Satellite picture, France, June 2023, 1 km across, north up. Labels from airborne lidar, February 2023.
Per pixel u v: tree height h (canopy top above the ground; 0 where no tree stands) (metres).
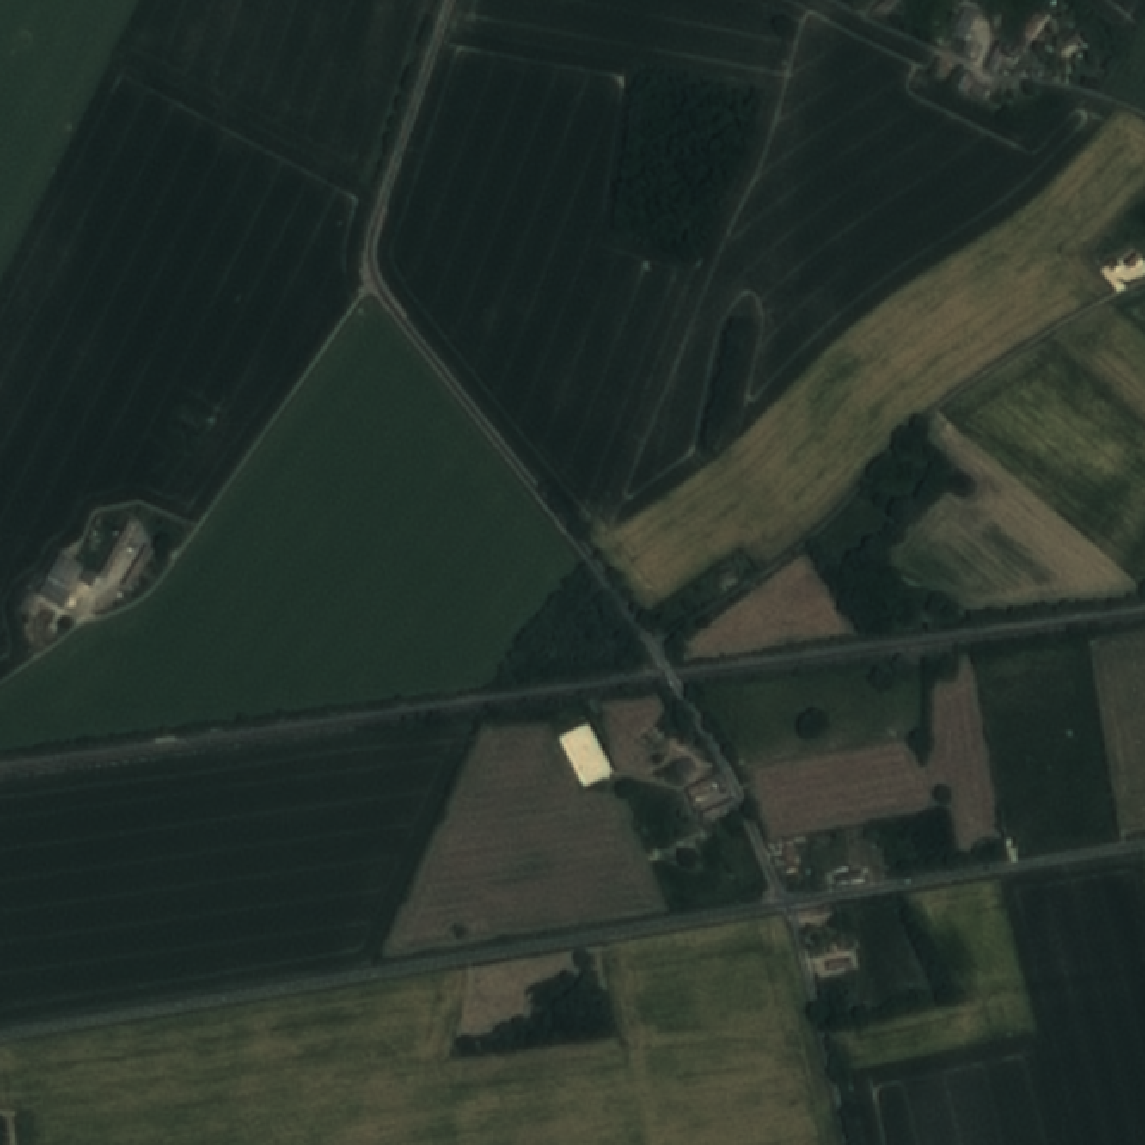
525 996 0
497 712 10
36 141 0
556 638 8
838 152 0
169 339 0
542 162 0
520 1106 0
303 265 0
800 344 0
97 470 0
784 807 0
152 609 0
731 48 0
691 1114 0
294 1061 0
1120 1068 0
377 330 0
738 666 0
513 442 0
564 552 0
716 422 15
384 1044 0
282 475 0
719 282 0
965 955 0
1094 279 0
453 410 0
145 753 0
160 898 0
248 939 0
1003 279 0
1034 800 0
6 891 0
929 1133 0
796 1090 0
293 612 0
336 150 0
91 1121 0
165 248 0
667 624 14
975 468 0
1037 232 0
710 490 0
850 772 0
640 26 0
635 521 0
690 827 0
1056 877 0
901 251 0
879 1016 8
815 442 0
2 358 0
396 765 0
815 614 0
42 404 0
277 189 0
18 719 0
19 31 0
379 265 0
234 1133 0
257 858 0
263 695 0
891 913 0
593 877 0
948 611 19
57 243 0
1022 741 0
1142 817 0
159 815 0
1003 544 0
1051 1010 0
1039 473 0
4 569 0
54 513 0
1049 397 0
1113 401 0
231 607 0
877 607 19
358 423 0
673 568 0
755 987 0
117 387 0
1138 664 0
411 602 0
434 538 0
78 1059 0
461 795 0
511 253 0
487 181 0
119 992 0
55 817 0
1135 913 0
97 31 0
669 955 0
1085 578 0
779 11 0
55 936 0
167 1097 0
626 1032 0
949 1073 0
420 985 0
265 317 0
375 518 0
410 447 0
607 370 0
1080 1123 0
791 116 0
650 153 14
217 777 0
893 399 0
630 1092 0
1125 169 0
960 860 12
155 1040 0
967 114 0
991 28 0
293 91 0
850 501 0
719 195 18
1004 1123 0
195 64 0
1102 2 0
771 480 0
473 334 0
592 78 0
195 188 0
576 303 0
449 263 0
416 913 0
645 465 0
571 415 0
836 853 0
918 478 13
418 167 0
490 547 0
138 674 0
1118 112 0
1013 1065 0
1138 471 0
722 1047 0
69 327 0
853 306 0
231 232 0
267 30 0
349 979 0
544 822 0
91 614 0
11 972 0
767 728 0
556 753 0
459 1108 0
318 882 0
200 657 0
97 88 0
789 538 0
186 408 0
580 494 0
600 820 0
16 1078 0
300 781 0
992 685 0
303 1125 0
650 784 0
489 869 0
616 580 13
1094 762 0
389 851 0
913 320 0
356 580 0
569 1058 0
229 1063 0
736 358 16
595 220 0
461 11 0
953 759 0
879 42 0
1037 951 0
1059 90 0
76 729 0
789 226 0
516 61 0
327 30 0
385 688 0
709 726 12
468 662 0
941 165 0
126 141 0
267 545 0
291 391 0
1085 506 0
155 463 0
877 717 0
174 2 0
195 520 0
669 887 0
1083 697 0
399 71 0
